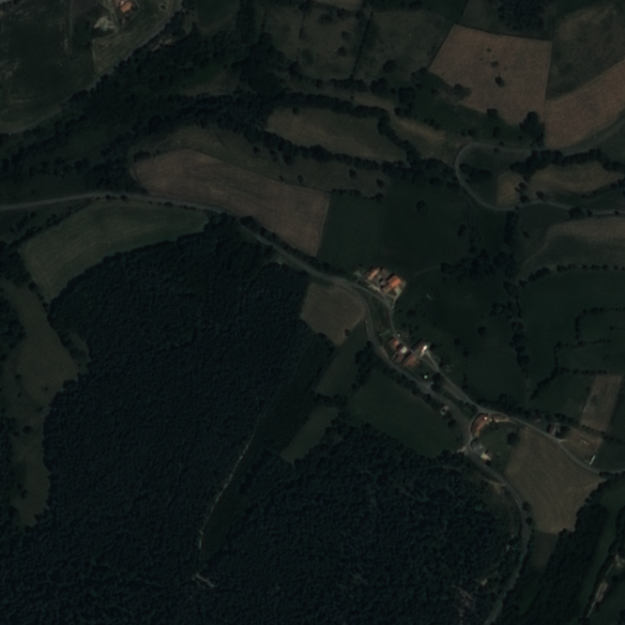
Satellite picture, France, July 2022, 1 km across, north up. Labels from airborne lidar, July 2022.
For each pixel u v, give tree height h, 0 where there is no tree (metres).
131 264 17
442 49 0
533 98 0
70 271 0
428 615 21
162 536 27
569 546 8
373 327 0
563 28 0
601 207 0
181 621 29
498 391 0
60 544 28
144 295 26
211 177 0
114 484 22
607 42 0
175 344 12
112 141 0
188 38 14
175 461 18
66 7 0
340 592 24
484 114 0
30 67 0
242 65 19
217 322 12
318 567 24
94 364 13
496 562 20
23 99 0
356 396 0
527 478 0
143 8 0
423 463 20
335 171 0
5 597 29
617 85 0
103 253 0
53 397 0
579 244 0
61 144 17
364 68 0
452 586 12
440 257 0
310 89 0
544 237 0
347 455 12
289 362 28
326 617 26
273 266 16
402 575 29
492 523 26
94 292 23
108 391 20
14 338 16
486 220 0
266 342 20
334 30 0
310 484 24
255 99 14
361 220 0
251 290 12
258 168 0
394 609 19
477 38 0
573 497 0
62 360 0
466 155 0
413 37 0
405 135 0
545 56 0
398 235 0
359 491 26
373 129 0
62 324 18
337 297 0
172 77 16
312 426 0
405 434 0
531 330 0
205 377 18
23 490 7
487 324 0
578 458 0
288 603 29
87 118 25
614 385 0
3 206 0
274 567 23
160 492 22
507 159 0
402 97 18
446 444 0
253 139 19
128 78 16
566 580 16
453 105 0
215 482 22
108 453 20
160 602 22
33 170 9
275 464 26
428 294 0
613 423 0
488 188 0
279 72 11
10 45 0
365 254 0
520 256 0
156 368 21
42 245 0
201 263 19
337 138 0
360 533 22
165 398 19
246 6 11
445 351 0
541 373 0
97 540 28
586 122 0
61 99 0
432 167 21
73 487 20
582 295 0
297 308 19
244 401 18
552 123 0
